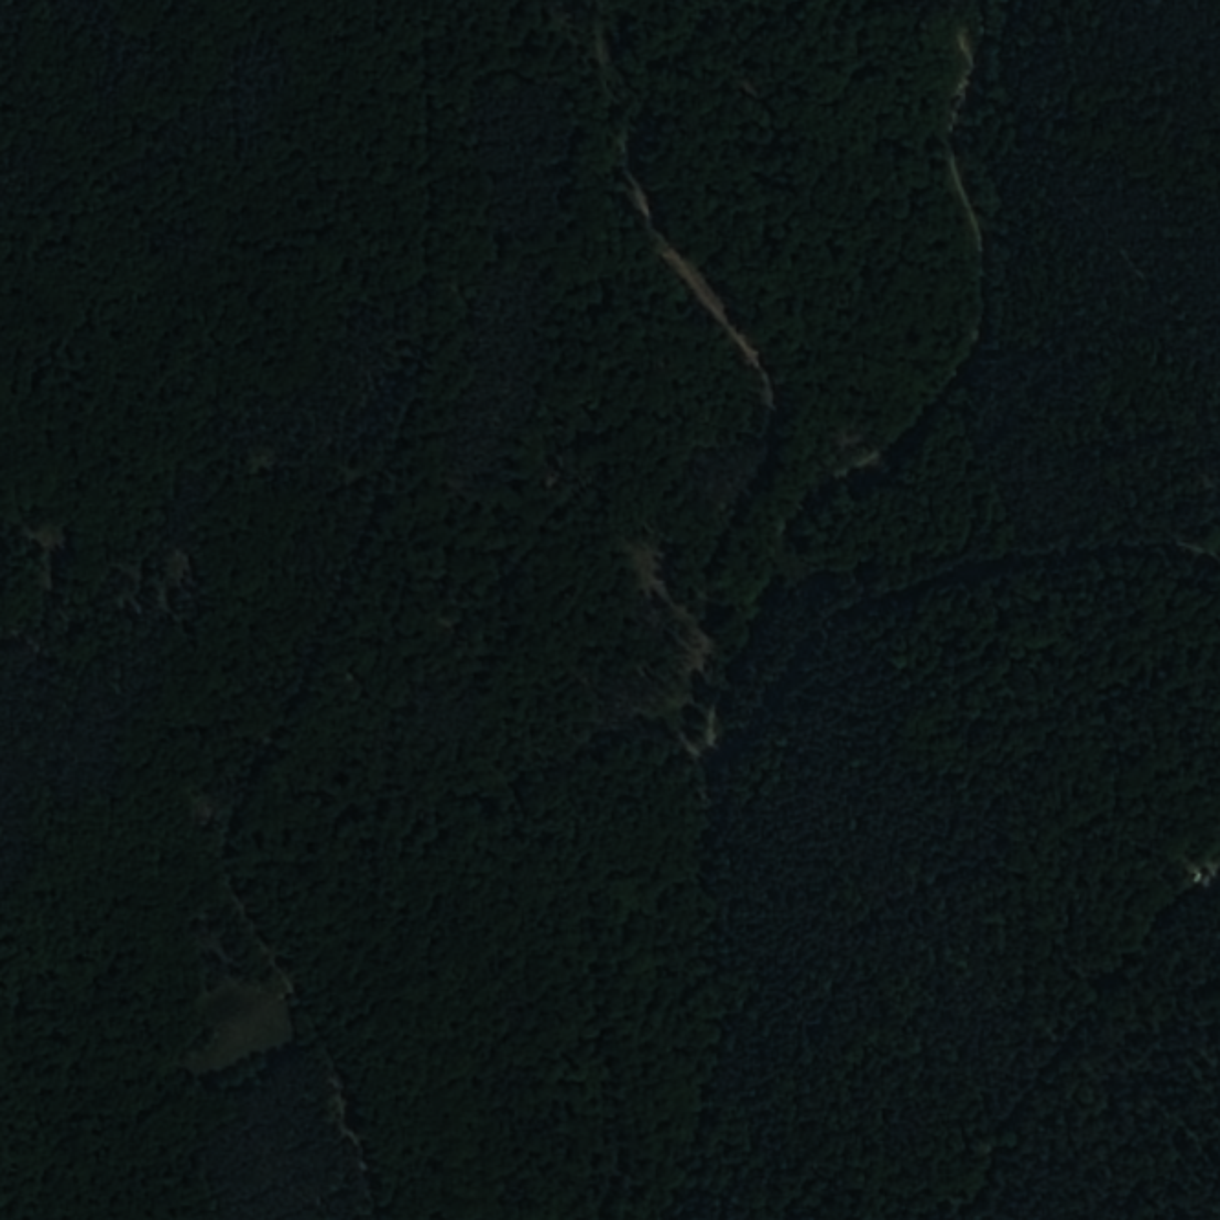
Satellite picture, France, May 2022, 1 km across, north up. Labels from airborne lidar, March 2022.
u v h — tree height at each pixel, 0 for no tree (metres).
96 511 24
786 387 28
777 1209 18
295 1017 13
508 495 34
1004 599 29
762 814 29
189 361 18
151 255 23
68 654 20
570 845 29
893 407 23
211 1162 26
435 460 31
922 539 32
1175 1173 31
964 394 18
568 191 31
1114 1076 34
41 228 26
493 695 29
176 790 22
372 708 26
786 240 32
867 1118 26
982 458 30
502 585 30
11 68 23
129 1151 24
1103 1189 16
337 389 21
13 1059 20
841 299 32
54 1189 24
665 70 28
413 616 28
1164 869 27
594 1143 24
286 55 24
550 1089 30
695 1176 32
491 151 29
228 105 17
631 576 29
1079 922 27
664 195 32
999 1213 30
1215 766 28
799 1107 27
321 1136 22
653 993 30
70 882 18
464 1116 25
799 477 31
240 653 20
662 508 27
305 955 24
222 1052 0
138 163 23
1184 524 24
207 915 19
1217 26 21
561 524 31
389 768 28
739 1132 26
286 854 25
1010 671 32
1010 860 27
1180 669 28
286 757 27
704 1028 28
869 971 23
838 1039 27
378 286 26
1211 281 24
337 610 25
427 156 26
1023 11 31
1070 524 23
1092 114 17
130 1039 25
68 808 21
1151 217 24
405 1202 27
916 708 28
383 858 29
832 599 33
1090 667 27
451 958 25
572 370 31
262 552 21
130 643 20
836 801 30
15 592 20
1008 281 25
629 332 28
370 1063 26
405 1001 26
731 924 29
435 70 29
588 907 25
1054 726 27
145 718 21
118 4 24
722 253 30
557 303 24
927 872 27
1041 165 25
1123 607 28
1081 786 27
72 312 27
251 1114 25
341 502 26
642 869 28
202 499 21
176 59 24
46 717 20
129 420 21
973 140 29
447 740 23
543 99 28
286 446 20
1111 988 30
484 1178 28
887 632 31
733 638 33
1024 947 26
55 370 24
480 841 29
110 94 29
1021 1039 24
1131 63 20
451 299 28
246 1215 23
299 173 25
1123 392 28
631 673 33
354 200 27
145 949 21
